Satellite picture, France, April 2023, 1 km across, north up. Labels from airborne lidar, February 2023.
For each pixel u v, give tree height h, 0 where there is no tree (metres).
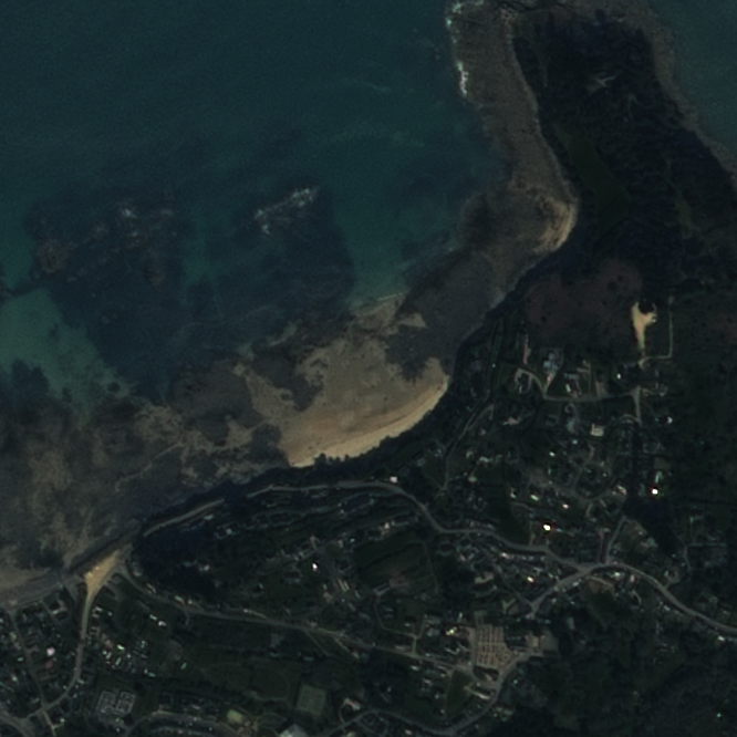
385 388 0
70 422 0
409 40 0
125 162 0
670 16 0
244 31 0
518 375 0
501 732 10
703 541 5
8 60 0
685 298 7
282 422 0
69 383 0
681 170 18
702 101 0
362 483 0
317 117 0
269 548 8
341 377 0
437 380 0
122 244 0
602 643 8
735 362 10
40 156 0
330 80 0
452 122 0
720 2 0
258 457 0
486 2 0
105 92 0
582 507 0
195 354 0
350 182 0
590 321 0
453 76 0
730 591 11
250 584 11
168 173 0
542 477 0
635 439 9
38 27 0
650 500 6
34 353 0
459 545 8
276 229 0
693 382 0
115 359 0
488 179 0
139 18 0
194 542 17
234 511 21
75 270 0
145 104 0
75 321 0
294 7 0
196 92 0
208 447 0
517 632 0
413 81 0
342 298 0
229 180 0
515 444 0
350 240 0
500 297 0
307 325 0
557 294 0
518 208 0
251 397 0
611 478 0
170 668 0
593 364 0
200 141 0
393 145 0
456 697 0
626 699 16
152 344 0
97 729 8
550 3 0
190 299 0
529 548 0
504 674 0
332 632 0
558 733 9
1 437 0
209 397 0
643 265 21
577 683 7
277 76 0
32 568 0
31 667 0
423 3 0
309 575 0
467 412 10
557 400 0
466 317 0
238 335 0
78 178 0
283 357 0
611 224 0
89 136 0
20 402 0
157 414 0
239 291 0
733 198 21
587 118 19
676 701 18
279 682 0
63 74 0
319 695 0
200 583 21
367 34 0
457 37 0
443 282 0
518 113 0
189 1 0
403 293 0
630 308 6
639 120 21
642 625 10
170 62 0
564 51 22
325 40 0
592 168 0
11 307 0
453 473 0
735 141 0
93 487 0
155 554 7
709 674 9
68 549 0
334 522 0
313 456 0
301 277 0
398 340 0
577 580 0
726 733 0
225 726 0
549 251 0
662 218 16
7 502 0
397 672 17
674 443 11
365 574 6
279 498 0
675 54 0
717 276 22
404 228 0
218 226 0
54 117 0
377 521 0
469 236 0
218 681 0
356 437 0
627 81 17
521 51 18
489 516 0
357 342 0
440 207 0
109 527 0
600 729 11
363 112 0
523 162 0
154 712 0
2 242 0
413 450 0
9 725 0
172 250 0
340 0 0
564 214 0
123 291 0
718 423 10
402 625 0
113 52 0
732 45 0
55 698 0
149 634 0
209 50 0
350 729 6
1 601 0
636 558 0
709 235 10
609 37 13
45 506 0
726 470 6
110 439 0
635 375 8
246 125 0
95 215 0
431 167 0
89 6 0
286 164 0
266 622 0
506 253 0
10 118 0
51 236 0
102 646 0
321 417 0
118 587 0
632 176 20
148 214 0
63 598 9
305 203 0
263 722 0
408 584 0
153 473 0
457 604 10
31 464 0
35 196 0
